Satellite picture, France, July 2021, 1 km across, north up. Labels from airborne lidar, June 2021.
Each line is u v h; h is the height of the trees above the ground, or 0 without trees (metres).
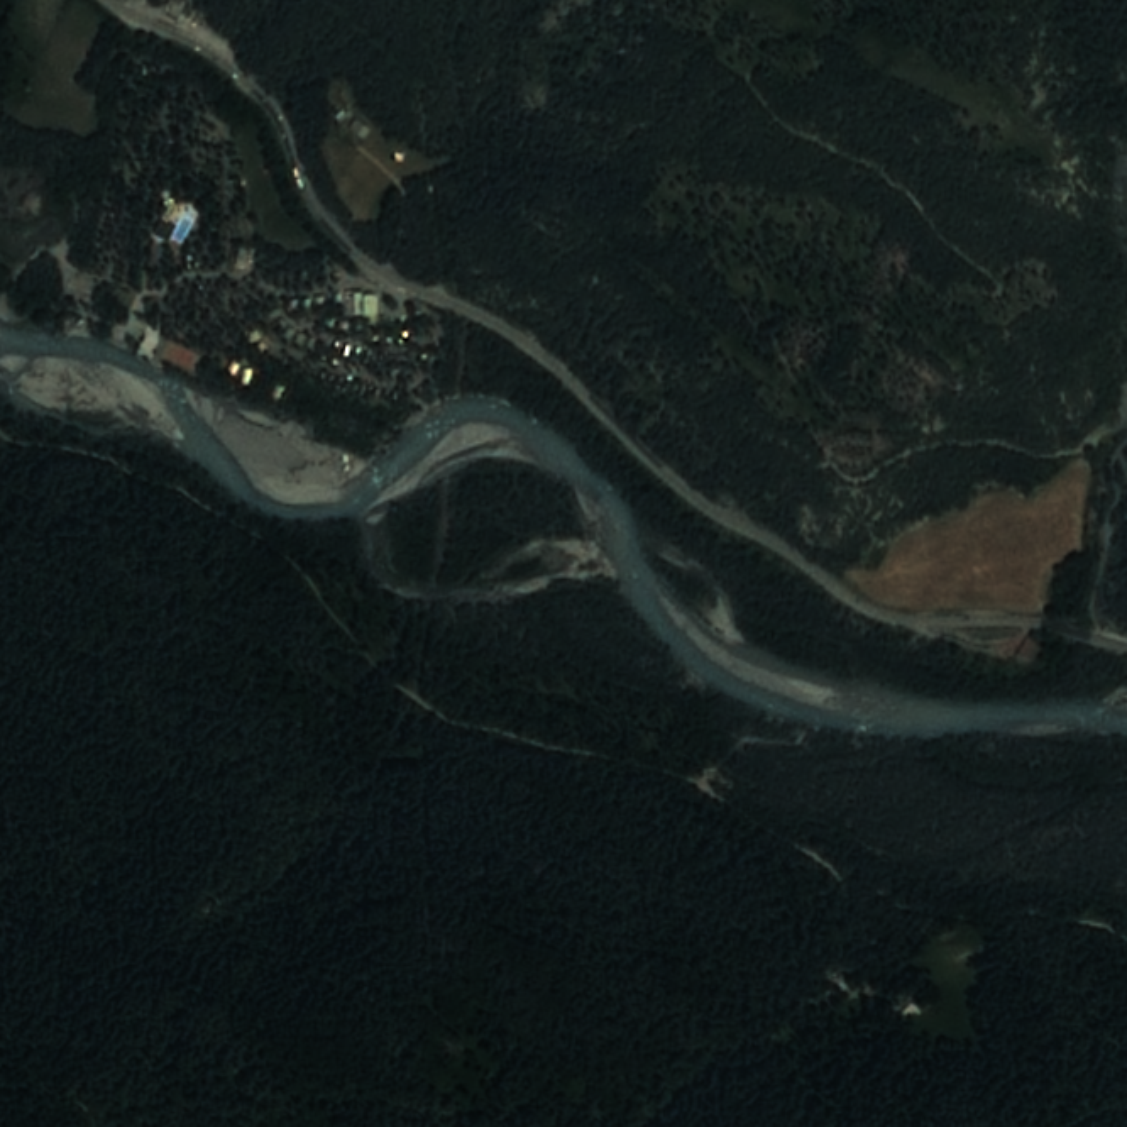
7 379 0
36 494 19
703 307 13
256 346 11
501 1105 10
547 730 16
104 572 21
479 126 12
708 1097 24
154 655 26
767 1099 23
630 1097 10
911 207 8
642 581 0
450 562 9
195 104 12
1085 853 7
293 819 15
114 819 25
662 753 16
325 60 10
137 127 10
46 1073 16
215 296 11
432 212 7
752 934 18
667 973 24
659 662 7
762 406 8
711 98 7
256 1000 21
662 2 6
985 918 20
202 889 17
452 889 25
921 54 0
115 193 8
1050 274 7
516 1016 24
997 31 9
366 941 24
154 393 0
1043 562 0
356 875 24
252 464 0
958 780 10
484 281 6
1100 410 11
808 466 8
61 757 22
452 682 20
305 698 17
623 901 31
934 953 0
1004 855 9
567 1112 13
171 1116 27
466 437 0
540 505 7
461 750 21
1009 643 0
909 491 9
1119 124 7
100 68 12
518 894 22
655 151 6
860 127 8
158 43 10
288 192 13
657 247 11
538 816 14
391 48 7
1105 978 16
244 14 10
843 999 23
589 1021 26
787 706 0
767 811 11
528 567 6
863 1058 13
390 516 6
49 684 20
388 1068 22
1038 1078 19
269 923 22
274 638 19
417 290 0
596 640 7
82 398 0
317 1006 18
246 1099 25
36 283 11
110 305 12
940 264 10
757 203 7
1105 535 0
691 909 9
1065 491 0
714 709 7
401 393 7
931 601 0
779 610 11
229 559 13
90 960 29
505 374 11
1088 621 0
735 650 0
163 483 14
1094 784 11
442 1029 17
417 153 8
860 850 10
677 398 8
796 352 15
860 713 0
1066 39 8
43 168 9
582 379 10
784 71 9
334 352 10
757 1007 21
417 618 16
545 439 0
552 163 11
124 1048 22
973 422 7
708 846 27
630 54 5
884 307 9
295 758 17
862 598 0
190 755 26
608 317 9
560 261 7
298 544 20
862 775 8
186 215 0
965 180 9
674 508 10
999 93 0
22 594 21
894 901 15
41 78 0
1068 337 10
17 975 32
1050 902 14
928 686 11
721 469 9
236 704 25
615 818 27
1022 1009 12
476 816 27
